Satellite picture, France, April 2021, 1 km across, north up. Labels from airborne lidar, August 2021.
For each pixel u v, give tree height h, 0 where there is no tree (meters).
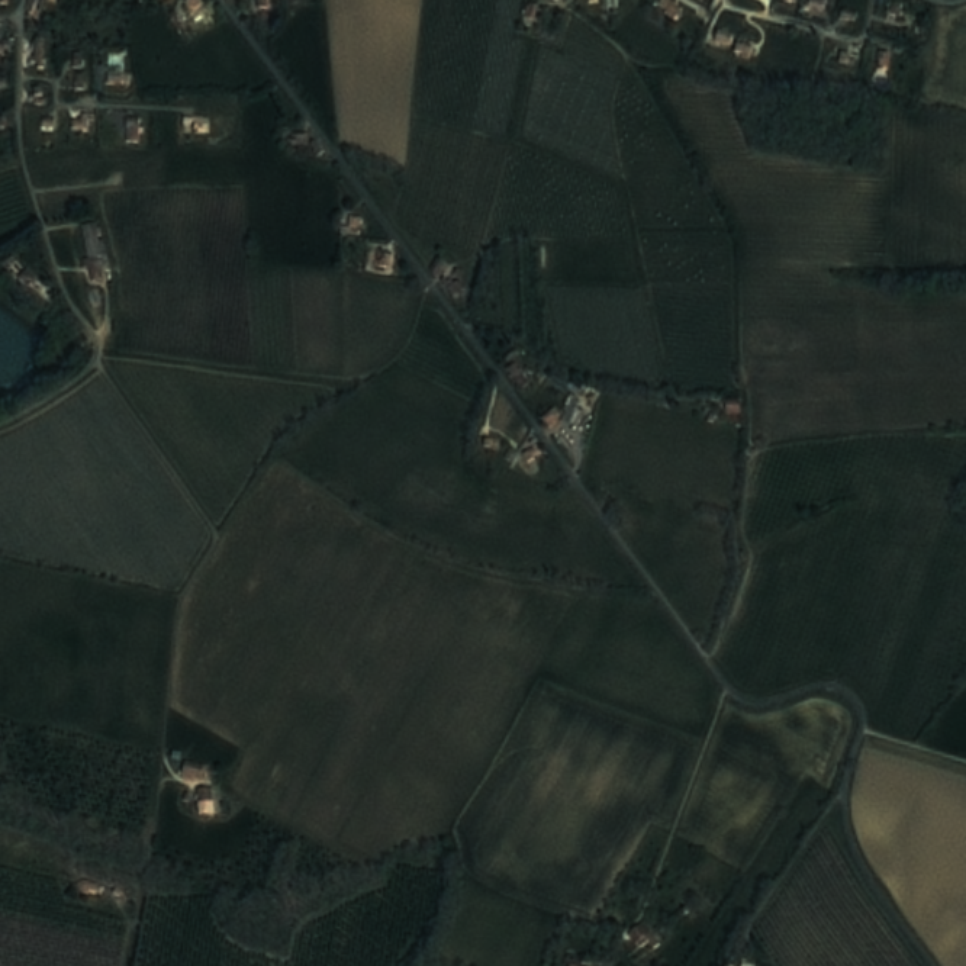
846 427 0
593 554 0
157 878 17
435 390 0
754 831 0
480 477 0
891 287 15
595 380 11
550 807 0
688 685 0
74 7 6
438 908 21
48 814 15
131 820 8
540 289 21
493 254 8
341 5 0
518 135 0
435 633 0
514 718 0
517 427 0
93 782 7
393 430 0
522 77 0
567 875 0
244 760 0
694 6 0
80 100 0
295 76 12
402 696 0
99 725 0
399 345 0
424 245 0
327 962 7
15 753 6
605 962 11
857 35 0
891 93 7
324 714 0
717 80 16
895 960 7
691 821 0
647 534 0
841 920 6
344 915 7
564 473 9
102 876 16
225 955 6
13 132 10
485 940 0
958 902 0
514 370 0
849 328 0
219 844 0
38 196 0
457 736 0
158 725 0
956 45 0
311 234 0
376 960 7
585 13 8
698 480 0
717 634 12
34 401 17
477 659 0
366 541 0
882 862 0
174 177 0
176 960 7
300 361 0
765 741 0
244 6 12
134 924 0
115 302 0
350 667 0
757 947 10
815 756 0
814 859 6
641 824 0
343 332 0
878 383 0
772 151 16
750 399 0
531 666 0
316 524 0
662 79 0
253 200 0
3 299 0
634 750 0
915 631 0
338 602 0
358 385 11
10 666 0
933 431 9
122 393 0
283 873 18
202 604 0
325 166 0
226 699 0
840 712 0
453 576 0
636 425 0
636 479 0
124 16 9
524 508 0
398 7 0
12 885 7
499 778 0
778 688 0
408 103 0
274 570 0
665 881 6
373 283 0
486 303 7
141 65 0
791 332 0
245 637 0
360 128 0
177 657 0
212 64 0
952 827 0
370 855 0
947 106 6
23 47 0
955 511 18
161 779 0
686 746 0
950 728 0
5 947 6
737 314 0
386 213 0
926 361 0
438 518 0
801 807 0
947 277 13
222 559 0
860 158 22
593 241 0
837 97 21
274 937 17
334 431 0
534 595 0
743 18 0
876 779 0
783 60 0
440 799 0
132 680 0
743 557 11
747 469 13
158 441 0
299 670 0
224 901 17
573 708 0
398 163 12
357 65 0
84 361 8
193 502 0
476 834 0
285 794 0
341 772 0
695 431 0
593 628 0
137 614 0
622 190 0
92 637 0
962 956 0
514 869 0
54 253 0
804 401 0
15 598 0
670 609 0
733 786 0
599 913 7
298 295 0
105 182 0
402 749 0
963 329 0
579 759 0
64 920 7
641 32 0
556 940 10
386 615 0
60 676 0
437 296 0
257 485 0
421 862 16
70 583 0
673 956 0
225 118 0
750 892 0
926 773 0
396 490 0
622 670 0
